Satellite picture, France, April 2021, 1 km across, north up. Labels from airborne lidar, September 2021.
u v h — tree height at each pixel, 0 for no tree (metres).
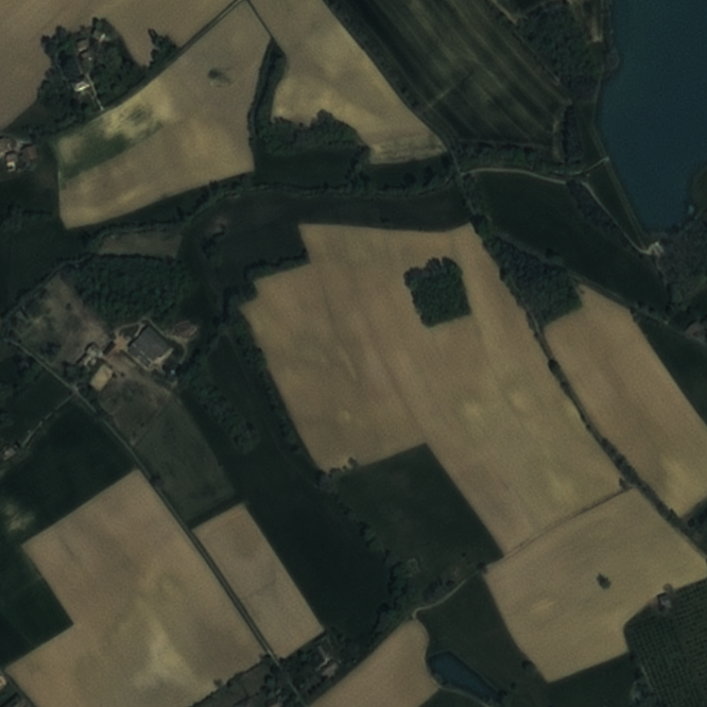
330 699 0
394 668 0
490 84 0
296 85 0
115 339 6
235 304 23
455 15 0
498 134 0
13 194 0
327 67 0
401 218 0
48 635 0
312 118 0
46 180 0
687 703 6
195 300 0
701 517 0
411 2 0
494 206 0
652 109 0
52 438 0
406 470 0
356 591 0
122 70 7
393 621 22
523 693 0
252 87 0
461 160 15
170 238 0
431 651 0
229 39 0
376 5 0
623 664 0
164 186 0
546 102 0
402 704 0
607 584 20
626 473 17
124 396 0
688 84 0
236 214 0
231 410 24
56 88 13
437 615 0
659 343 0
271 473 0
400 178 0
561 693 0
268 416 0
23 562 0
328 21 0
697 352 0
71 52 20
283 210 0
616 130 0
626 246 14
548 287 23
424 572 0
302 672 11
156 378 0
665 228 0
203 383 23
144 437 0
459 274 23
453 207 0
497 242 14
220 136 0
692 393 0
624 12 0
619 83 0
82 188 0
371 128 0
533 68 0
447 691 0
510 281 18
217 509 0
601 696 0
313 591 0
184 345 0
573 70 19
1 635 0
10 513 0
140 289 13
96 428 0
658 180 0
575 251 0
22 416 0
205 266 0
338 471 8
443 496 0
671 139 0
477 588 0
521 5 0
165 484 8
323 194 9
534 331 12
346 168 0
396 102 0
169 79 0
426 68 0
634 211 0
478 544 0
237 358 0
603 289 0
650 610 0
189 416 0
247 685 0
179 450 0
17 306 7
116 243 0
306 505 0
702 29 0
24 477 0
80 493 0
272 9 0
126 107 0
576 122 13
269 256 0
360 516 0
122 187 0
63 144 0
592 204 14
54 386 0
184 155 0
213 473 0
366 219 0
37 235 0
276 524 0
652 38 0
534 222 0
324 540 0
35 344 0
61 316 0
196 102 0
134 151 0
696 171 0
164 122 0
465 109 0
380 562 0
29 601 0
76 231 0
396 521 0
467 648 0
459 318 19
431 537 0
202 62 0
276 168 0
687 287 21
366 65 0
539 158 16
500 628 0
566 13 16
